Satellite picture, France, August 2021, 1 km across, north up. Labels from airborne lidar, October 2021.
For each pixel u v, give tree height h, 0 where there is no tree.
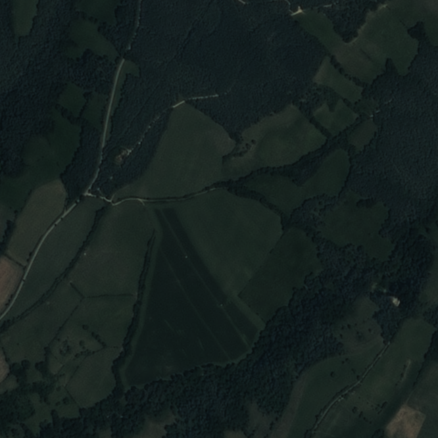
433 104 8
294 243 0
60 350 6
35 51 12
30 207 0
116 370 13
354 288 17
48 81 20
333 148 12
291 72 13
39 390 8
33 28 9
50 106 16
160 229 0
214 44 16
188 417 14
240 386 20
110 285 0
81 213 0
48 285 0
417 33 20
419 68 9
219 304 0
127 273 0
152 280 0
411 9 0
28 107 20
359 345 0
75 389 0
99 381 0
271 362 12
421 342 0
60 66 15
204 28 14
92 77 22
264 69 15
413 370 0
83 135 13
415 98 8
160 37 12
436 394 0
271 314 0
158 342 0
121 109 7
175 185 0
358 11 7
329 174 0
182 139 0
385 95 11
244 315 0
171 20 8
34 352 0
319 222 10
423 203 14
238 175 0
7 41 7
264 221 0
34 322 0
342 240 0
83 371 0
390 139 11
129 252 0
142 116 7
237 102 10
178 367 0
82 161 8
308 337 21
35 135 18
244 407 11
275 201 0
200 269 0
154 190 0
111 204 9
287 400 6
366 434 0
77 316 0
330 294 21
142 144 7
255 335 0
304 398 0
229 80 16
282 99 11
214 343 0
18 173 18
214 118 11
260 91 10
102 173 10
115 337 0
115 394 15
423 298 0
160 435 0
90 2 0
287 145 0
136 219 0
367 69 0
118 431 10
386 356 0
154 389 19
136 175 12
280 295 0
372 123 0
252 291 0
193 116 0
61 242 0
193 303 0
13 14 11
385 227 14
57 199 0
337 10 7
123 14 15
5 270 0
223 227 0
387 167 12
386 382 0
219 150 0
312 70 11
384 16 0
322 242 7
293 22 14
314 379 0
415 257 25
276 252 0
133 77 9
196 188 0
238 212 0
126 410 9
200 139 0
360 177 19
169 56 5
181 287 0
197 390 16
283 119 0
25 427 15
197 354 0
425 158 7
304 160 13
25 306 0
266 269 0
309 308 21
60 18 15
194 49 16
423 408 0
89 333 0
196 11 9
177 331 0
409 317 9
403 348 0
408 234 23
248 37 17
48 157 0
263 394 12
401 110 11
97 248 0
